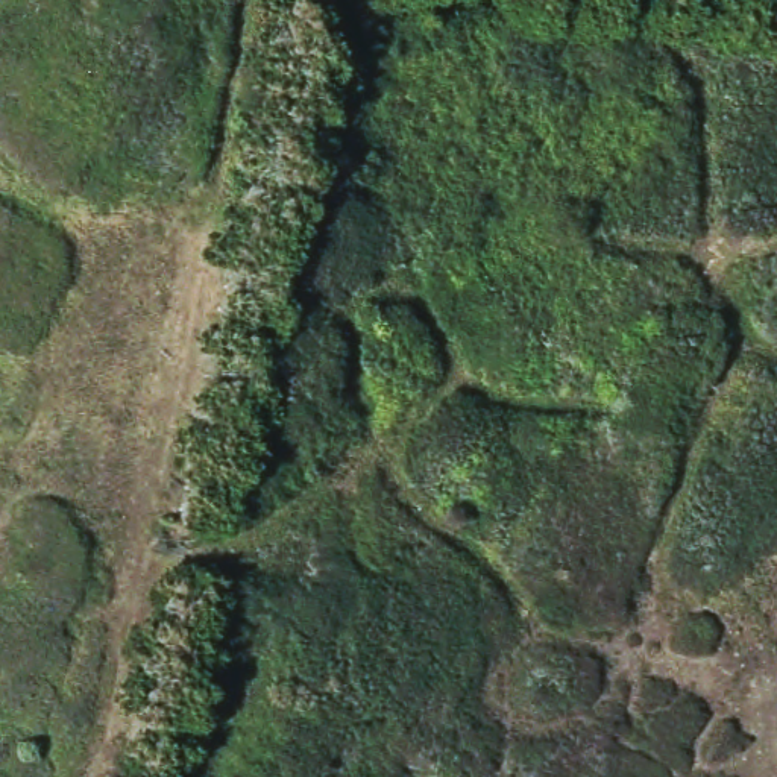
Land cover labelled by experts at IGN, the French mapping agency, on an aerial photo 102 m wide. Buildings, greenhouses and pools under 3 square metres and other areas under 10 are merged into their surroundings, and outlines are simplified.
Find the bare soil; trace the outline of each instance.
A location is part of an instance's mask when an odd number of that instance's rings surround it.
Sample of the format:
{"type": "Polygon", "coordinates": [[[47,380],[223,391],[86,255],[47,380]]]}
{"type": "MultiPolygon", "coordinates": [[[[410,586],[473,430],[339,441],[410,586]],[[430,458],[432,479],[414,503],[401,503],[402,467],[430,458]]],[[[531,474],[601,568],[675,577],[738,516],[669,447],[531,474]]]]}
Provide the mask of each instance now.
{"type": "Polygon", "coordinates": [[[728,777],[777,777],[777,555],[768,555],[762,565],[756,565],[756,571],[735,583],[735,589],[722,589],[710,598],[689,586],[677,586],[677,580],[671,577],[671,552],[656,543],[656,549],[650,552],[650,592],[637,604],[643,634],[640,646],[631,646],[619,637],[598,640],[595,646],[628,680],[650,665],[656,677],[668,677],[704,695],[710,701],[710,719],[695,741],[695,768],[728,777]],[[686,656],[677,653],[671,643],[671,634],[680,628],[683,613],[692,610],[710,610],[725,625],[722,646],[713,656],[686,656]],[[753,735],[753,747],[735,753],[731,759],[710,762],[716,750],[713,735],[722,731],[725,719],[731,716],[738,716],[741,725],[753,735]]]}
{"type": "Polygon", "coordinates": [[[713,225],[704,240],[683,240],[671,234],[631,228],[598,228],[601,240],[619,240],[622,246],[637,246],[650,252],[692,255],[707,267],[710,279],[722,273],[728,261],[777,249],[777,234],[728,237],[728,222],[713,225]]]}
{"type": "Polygon", "coordinates": [[[197,395],[215,376],[215,355],[203,352],[200,334],[212,322],[222,322],[228,316],[228,297],[240,288],[240,279],[234,270],[215,267],[203,258],[215,225],[203,222],[200,228],[188,228],[182,222],[185,215],[179,206],[170,203],[167,209],[152,212],[146,203],[127,206],[121,200],[121,206],[115,206],[109,215],[100,215],[91,212],[91,206],[79,194],[61,197],[52,206],[52,215],[73,234],[82,270],[79,282],[67,291],[61,319],[52,328],[49,340],[39,343],[33,355],[24,355],[24,373],[39,373],[42,382],[39,413],[27,428],[27,437],[55,446],[49,458],[36,461],[36,467],[67,483],[67,492],[61,498],[70,498],[79,507],[82,522],[97,534],[103,558],[115,571],[115,598],[103,604],[103,622],[109,625],[109,662],[115,665],[115,677],[109,695],[103,698],[103,735],[91,747],[85,777],[109,777],[115,771],[115,738],[140,738],[146,731],[137,713],[124,710],[124,680],[131,668],[124,643],[140,619],[152,616],[152,586],[167,571],[185,562],[188,555],[209,552],[200,540],[191,537],[188,528],[188,510],[197,498],[197,486],[185,483],[179,467],[173,467],[173,455],[176,431],[194,422],[200,410],[197,395]]]}

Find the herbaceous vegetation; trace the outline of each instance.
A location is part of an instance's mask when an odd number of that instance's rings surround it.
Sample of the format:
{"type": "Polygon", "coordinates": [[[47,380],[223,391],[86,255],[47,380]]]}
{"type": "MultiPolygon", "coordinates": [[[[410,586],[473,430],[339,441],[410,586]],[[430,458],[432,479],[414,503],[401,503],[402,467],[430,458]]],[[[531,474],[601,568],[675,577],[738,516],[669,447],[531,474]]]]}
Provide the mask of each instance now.
{"type": "Polygon", "coordinates": [[[725,719],[722,731],[713,735],[716,750],[710,762],[731,759],[735,753],[753,747],[753,735],[741,725],[738,716],[731,716],[725,719]]]}
{"type": "Polygon", "coordinates": [[[273,328],[258,328],[261,346],[270,358],[270,385],[288,392],[291,376],[300,376],[300,355],[273,328]]]}
{"type": "Polygon", "coordinates": [[[185,203],[188,185],[206,185],[219,176],[231,85],[240,67],[243,15],[249,0],[0,0],[0,777],[85,777],[91,747],[103,735],[103,698],[109,695],[115,677],[115,665],[109,662],[109,625],[103,622],[103,604],[115,598],[115,571],[103,558],[97,534],[82,522],[79,507],[70,498],[61,498],[67,492],[67,483],[36,467],[36,461],[49,458],[55,446],[27,437],[27,428],[39,413],[42,382],[39,373],[24,373],[24,355],[33,355],[39,343],[49,340],[52,328],[61,319],[67,291],[79,282],[82,270],[73,234],[52,215],[52,206],[61,197],[79,194],[91,206],[91,212],[100,215],[109,215],[115,206],[121,206],[121,200],[127,206],[146,203],[152,212],[167,209],[170,203],[179,206],[185,203]]]}
{"type": "Polygon", "coordinates": [[[689,586],[710,598],[722,589],[735,589],[735,583],[756,571],[756,565],[762,565],[768,555],[777,555],[777,249],[728,261],[722,273],[710,279],[707,267],[692,255],[650,252],[637,246],[622,246],[619,240],[601,240],[598,228],[631,228],[671,234],[683,240],[704,240],[713,225],[728,222],[728,237],[777,234],[777,64],[750,55],[725,58],[710,49],[689,49],[686,55],[680,55],[677,49],[646,36],[616,39],[613,46],[601,46],[595,52],[589,42],[577,39],[574,21],[565,21],[562,39],[540,42],[516,33],[507,24],[504,12],[498,9],[501,0],[310,0],[322,9],[322,24],[328,27],[331,39],[349,46],[352,79],[334,97],[343,109],[343,124],[316,124],[313,161],[328,161],[337,173],[325,191],[325,212],[310,240],[307,261],[291,279],[288,300],[297,307],[297,334],[340,334],[346,346],[343,389],[331,398],[340,401],[352,416],[364,416],[370,410],[370,437],[364,446],[349,449],[346,461],[337,467],[334,477],[322,477],[316,467],[307,470],[307,489],[297,498],[282,501],[282,507],[276,507],[267,516],[261,513],[261,495],[249,489],[243,495],[243,510],[249,519],[255,519],[255,525],[249,531],[234,534],[222,552],[209,552],[188,555],[185,562],[188,568],[200,568],[206,574],[231,580],[219,589],[219,616],[225,619],[225,628],[222,637],[215,637],[215,646],[225,650],[231,662],[212,668],[212,683],[222,689],[222,701],[209,707],[212,731],[173,735],[173,744],[179,747],[212,750],[219,756],[215,777],[728,777],[695,768],[695,741],[710,719],[710,701],[704,695],[668,677],[656,677],[650,665],[628,680],[595,646],[598,640],[619,637],[631,646],[640,646],[643,634],[637,604],[650,592],[650,552],[656,549],[656,543],[671,552],[671,577],[677,580],[677,586],[689,586]]]}
{"type": "Polygon", "coordinates": [[[722,646],[725,625],[710,610],[692,610],[683,613],[680,628],[671,634],[671,643],[677,653],[686,656],[713,656],[722,646]]]}
{"type": "Polygon", "coordinates": [[[297,449],[273,422],[270,407],[261,404],[252,410],[267,443],[264,464],[258,470],[273,480],[282,464],[297,458],[297,449]]]}

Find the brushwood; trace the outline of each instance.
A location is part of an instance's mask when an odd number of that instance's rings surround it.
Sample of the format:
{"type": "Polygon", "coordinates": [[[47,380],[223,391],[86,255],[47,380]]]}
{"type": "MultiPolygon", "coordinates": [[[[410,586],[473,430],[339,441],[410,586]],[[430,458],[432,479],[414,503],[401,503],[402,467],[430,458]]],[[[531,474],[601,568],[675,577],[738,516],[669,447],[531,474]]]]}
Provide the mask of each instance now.
{"type": "Polygon", "coordinates": [[[185,562],[167,571],[152,586],[152,616],[140,619],[124,643],[131,668],[124,680],[124,710],[137,713],[146,731],[140,738],[115,738],[115,771],[109,777],[215,777],[219,756],[212,750],[179,747],[173,744],[173,735],[212,731],[209,707],[222,701],[222,689],[212,683],[212,668],[231,662],[225,650],[215,646],[215,637],[222,637],[225,628],[225,619],[219,616],[219,589],[231,580],[206,574],[200,568],[188,568],[185,562]]]}
{"type": "Polygon", "coordinates": [[[322,477],[334,477],[337,467],[346,461],[349,449],[364,446],[370,437],[370,410],[364,416],[352,416],[340,401],[331,398],[343,389],[346,346],[340,334],[297,334],[297,307],[288,300],[291,279],[307,261],[310,240],[325,212],[325,191],[337,173],[328,161],[313,161],[316,124],[343,124],[343,109],[334,97],[352,79],[349,46],[331,39],[328,27],[322,24],[322,9],[310,0],[249,0],[243,15],[240,67],[231,85],[219,176],[206,185],[188,185],[185,203],[179,206],[185,215],[182,222],[188,228],[200,228],[203,222],[215,225],[203,258],[215,267],[234,270],[240,279],[240,288],[228,297],[228,316],[222,322],[212,322],[200,334],[203,352],[215,355],[215,376],[197,395],[200,410],[194,422],[176,431],[173,455],[173,467],[179,467],[185,483],[197,486],[197,498],[188,510],[188,528],[191,537],[200,540],[209,552],[222,552],[234,534],[249,531],[255,525],[255,519],[249,519],[243,510],[243,495],[249,489],[261,495],[261,513],[267,516],[276,507],[282,507],[282,501],[297,498],[307,489],[307,470],[316,467],[322,477]],[[300,376],[291,376],[288,392],[270,385],[270,358],[261,346],[258,328],[273,328],[300,355],[300,376]],[[273,422],[297,449],[297,458],[282,464],[273,480],[258,470],[264,464],[267,443],[252,410],[261,404],[270,407],[273,422]]]}
{"type": "Polygon", "coordinates": [[[540,42],[562,39],[565,21],[574,21],[577,39],[589,42],[595,52],[601,46],[613,46],[616,39],[646,36],[677,49],[680,55],[686,55],[689,49],[710,49],[725,58],[750,55],[777,64],[777,0],[501,0],[498,9],[504,12],[507,24],[516,33],[540,42]]]}

